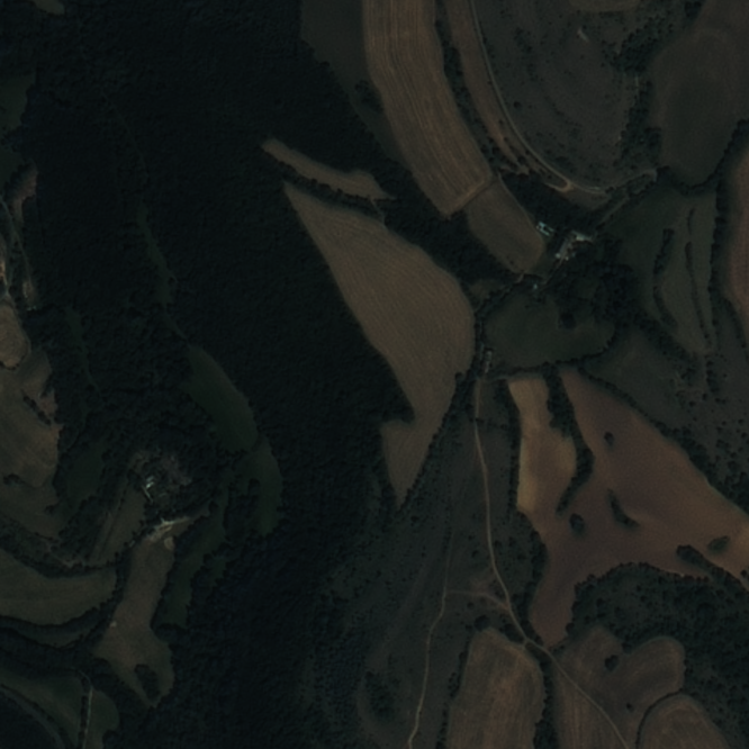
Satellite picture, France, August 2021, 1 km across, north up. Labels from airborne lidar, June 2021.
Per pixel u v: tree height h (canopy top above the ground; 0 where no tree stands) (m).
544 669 11
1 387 0
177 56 13
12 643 30
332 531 8
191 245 15
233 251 9
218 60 12
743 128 11
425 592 0
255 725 11
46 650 15
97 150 27
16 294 12
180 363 20
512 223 0
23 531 6
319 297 13
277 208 14
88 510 12
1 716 13
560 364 9
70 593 0
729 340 0
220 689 15
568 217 7
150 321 7
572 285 7
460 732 0
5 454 0
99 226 27
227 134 14
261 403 9
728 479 7
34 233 8
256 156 11
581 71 0
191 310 11
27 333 11
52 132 24
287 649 12
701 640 11
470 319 0
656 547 0
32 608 0
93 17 9
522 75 0
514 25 0
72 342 22
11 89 0
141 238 12
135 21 12
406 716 0
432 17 0
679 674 0
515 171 10
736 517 0
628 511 0
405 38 0
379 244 0
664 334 7
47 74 15
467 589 0
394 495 12
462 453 0
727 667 8
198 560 0
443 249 10
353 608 0
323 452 7
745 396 0
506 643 0
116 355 19
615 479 0
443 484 0
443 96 0
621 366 0
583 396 0
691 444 10
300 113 13
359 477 8
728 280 0
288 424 10
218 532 0
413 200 13
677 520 0
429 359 0
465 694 0
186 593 0
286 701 11
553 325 0
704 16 0
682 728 0
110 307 21
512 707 0
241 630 21
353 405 10
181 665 18
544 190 13
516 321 0
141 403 18
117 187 27
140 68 10
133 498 0
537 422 0
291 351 13
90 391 18
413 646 0
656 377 0
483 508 0
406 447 0
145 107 10
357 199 9
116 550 0
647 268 0
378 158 14
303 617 10
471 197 0
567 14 0
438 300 0
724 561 0
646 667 0
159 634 18
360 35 0
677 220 0
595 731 0
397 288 0
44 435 0
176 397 19
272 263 10
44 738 13
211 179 14
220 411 0
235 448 0
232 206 11
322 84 12
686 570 0
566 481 0
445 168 0
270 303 10
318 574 8
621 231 0
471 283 11
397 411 7
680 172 0
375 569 0
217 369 0
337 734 7
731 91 0
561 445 0
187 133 14
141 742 19
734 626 12
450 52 9
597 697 0
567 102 0
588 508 0
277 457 12
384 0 0
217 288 12
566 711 0
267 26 8
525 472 0
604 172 0
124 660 0
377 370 9
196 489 11
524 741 0
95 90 12
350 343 11
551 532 0
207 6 14
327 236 0
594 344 0
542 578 9
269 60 10
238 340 12
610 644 0
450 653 0
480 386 0
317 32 0
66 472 18
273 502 0
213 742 9
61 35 16
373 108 7
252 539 9
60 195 25
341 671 8
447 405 0
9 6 29
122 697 13
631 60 13
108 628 10
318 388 10
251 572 19
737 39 0
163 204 12
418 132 0
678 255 0
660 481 0
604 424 0
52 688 0
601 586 8
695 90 0
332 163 11
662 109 0
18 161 0
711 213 0
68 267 30
